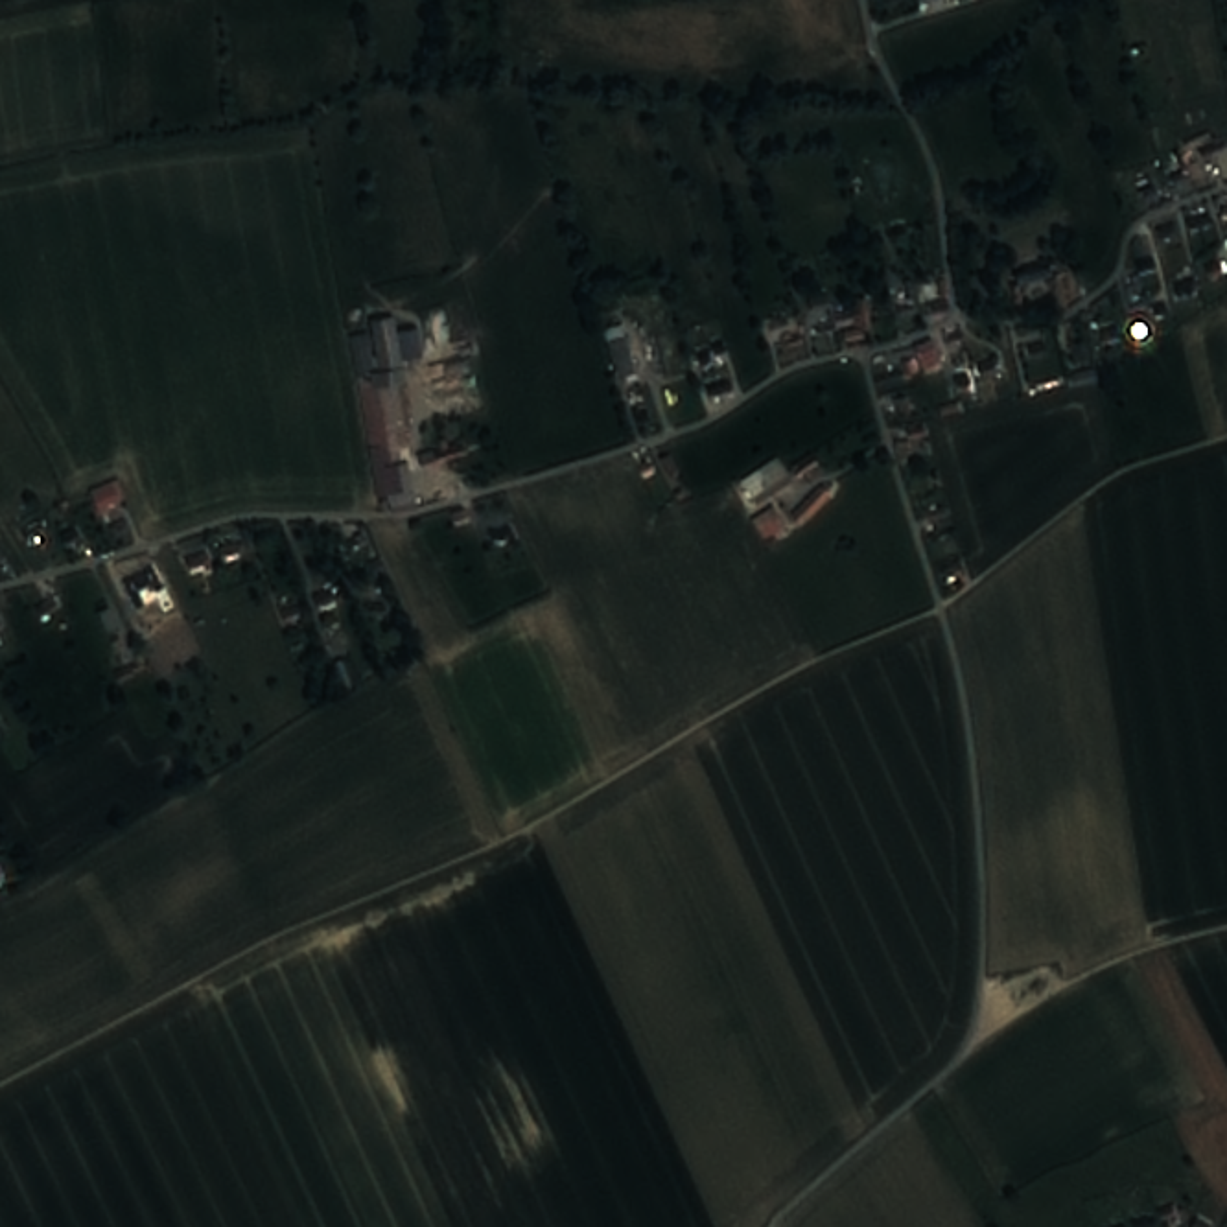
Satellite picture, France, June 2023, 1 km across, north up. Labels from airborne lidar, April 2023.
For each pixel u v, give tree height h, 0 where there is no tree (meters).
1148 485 0
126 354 0
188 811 0
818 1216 0
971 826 0
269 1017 0
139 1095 0
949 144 0
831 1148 0
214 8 0
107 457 0
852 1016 0
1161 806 0
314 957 0
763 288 0
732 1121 0
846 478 0
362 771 0
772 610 0
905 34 0
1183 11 0
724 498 0
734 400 0
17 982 0
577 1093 0
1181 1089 0
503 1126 0
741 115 21
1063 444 0
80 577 0
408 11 0
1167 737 0
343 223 0
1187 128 0
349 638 0
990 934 0
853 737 0
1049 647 0
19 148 0
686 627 0
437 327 0
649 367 0
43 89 0
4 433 0
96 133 0
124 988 0
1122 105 0
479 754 0
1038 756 0
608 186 0
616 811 0
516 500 0
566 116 0
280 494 0
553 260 0
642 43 0
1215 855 0
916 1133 0
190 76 0
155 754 0
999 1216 0
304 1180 0
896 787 0
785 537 0
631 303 0
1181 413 0
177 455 0
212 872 0
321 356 0
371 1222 0
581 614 0
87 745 0
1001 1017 0
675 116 0
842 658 0
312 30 0
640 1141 0
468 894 0
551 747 0
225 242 0
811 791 0
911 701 0
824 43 0
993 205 16
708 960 0
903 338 0
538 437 0
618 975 0
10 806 0
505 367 0
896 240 11
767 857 0
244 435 0
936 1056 0
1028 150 16
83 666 0
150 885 0
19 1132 0
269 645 0
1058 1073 0
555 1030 0
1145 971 0
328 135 0
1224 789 0
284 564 14
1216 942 0
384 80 17
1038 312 14
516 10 0
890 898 0
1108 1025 0
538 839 0
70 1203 0
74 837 0
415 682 0
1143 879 0
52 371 0
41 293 0
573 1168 0
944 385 0
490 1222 0
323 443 0
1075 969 0
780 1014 0
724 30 0
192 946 0
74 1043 0
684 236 0
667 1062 0
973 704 0
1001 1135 0
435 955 0
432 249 0
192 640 0
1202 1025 0
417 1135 0
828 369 0
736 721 0
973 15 0
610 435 0
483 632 0
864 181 0
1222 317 0
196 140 0
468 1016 0
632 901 0
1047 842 0
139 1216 0
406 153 0
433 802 0
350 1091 0
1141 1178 0
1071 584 0
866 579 0
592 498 0
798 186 0
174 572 0
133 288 0
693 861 0
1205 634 0
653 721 0
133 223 0
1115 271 0
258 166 0
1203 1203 0
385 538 0
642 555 0
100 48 0
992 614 0
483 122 0
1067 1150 0
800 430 0
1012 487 0
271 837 0
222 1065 0
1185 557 0
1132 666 0
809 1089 0
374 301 0
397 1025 0
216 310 0
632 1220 0
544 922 0
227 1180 0
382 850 0
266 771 0
